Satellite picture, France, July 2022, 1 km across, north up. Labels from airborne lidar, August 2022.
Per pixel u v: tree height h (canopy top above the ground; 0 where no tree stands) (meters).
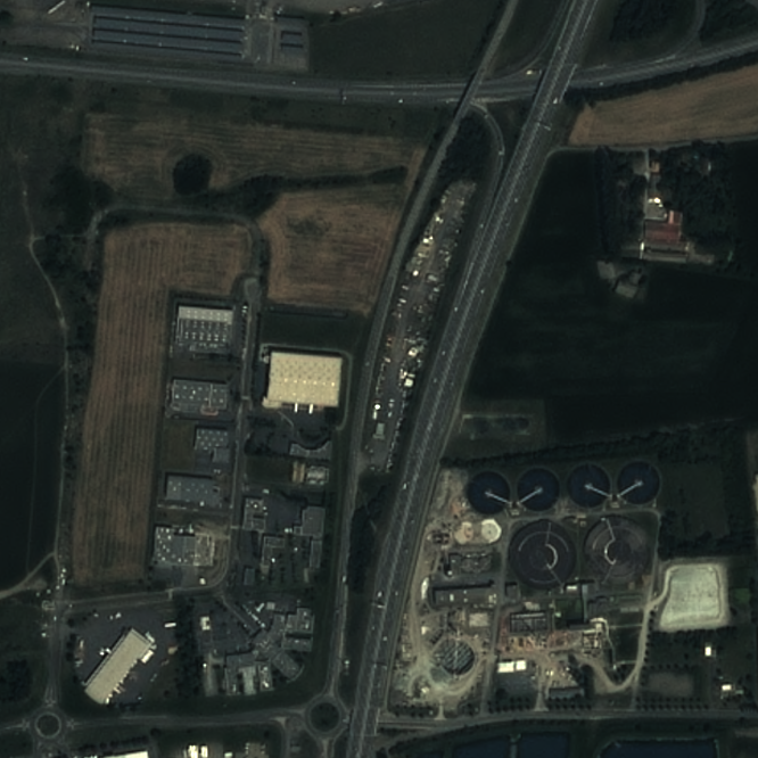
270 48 0
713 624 0
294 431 0
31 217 0
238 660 0
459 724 0
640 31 19
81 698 0
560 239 0
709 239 28
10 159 0
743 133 0
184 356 0
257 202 8
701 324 0
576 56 0
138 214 0
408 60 0
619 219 25
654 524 0
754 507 0
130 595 0
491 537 0
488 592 0
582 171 0
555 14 0
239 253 0
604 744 0
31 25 0
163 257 0
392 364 0
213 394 0
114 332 0
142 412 0
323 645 0
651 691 0
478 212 0
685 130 0
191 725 0
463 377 0
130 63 0
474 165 6
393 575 0
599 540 0
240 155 0
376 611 0
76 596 0
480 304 0
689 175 16
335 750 0
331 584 0
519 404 0
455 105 0
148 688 0
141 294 0
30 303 0
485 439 0
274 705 0
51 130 0
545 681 0
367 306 0
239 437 0
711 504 0
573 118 0
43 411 0
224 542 0
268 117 0
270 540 0
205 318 0
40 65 0
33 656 0
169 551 0
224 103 0
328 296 0
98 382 0
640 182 12
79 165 0
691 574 0
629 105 0
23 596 0
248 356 0
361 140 0
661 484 0
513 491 0
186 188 12
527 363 0
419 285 0
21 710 0
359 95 0
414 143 0
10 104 0
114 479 0
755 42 0
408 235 0
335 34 0
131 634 0
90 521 0
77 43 0
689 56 0
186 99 0
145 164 0
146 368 0
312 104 0
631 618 0
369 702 0
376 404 0
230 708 0
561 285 0
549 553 0
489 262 0
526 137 0
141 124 0
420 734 0
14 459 0
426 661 0
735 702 13
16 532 0
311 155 0
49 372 0
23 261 0
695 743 0
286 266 0
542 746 0
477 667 0
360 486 0
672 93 0
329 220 0
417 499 0
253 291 0
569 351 0
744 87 0
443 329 0
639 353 0
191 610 11
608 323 0
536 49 0
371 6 0
